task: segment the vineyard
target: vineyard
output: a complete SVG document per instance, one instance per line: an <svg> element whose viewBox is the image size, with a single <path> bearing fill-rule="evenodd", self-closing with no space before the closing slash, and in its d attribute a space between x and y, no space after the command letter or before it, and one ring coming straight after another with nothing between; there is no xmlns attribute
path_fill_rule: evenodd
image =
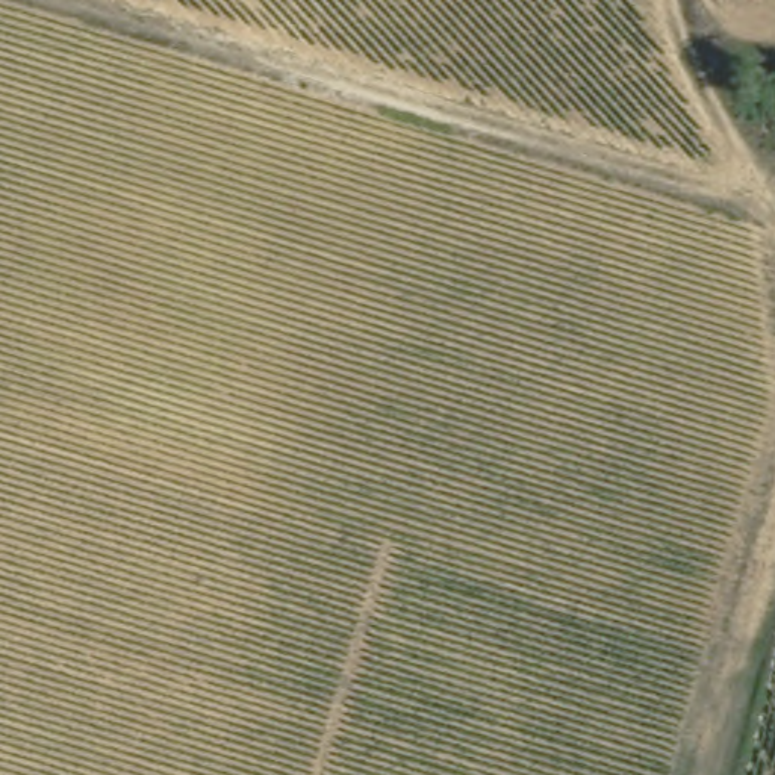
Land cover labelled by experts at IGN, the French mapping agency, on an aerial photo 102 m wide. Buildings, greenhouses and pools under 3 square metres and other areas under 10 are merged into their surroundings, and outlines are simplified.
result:
<svg viewBox="0 0 775 775"><path fill-rule="evenodd" d="M657 148L681 148L687 157L696 157L702 163L708 163L711 145L702 139L696 118L687 112L684 94L669 79L663 45L645 30L645 18L633 6L636 0L179 0L188 9L224 15L257 30L275 27L285 30L291 39L303 39L309 45L324 48L342 48L348 54L363 54L372 64L400 73L415 73L430 82L454 82L463 91L478 94L490 94L496 88L512 103L521 103L542 115L566 118L569 112L581 112L584 121L593 127L618 130L627 139L648 142Z"/></svg>
<svg viewBox="0 0 775 775"><path fill-rule="evenodd" d="M739 714L736 745L727 757L724 775L775 775L775 593L769 599L760 633L751 645L751 687L745 708Z"/></svg>
<svg viewBox="0 0 775 775"><path fill-rule="evenodd" d="M681 751L675 748L675 727L681 721L684 696L690 687L690 663L696 660L693 651L705 645L705 618L699 615L708 596L708 572L724 554L727 524L733 518L739 484L745 481L745 463L751 457L754 436L766 412L763 360L751 357L748 348L739 348L745 330L760 324L751 269L751 227L763 227L763 218L730 200L678 191L684 176L666 167L633 163L608 154L599 154L596 163L584 163L569 154L530 148L487 133L472 133L381 103L366 103L366 109L354 109L336 100L312 97L309 82L285 88L282 73L254 64L251 51L239 42L218 42L218 48L188 45L188 51L176 51L139 39L124 39L100 27L88 27L76 18L61 18L30 6L18 6L12 0L0 0L0 775L666 775L666 766L672 769L681 760Z"/></svg>

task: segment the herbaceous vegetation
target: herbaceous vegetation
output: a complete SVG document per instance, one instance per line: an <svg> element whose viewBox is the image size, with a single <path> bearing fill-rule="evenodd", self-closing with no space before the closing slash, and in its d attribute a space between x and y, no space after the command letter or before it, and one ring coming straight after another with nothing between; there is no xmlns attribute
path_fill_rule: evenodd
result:
<svg viewBox="0 0 775 775"><path fill-rule="evenodd" d="M754 436L751 457L745 463L745 481L739 484L733 518L727 524L724 554L708 572L708 596L699 615L705 618L705 645L693 651L696 660L690 663L690 687L684 696L681 721L675 727L675 748L681 751L681 760L672 769L666 766L666 775L724 775L727 757L736 745L739 714L745 708L751 687L751 645L760 633L769 599L775 593L775 118L763 124L742 121L736 127L724 106L724 97L730 91L739 91L739 54L727 51L724 45L730 39L748 39L775 45L775 0L636 0L633 6L645 18L645 30L663 45L669 79L684 94L687 112L696 118L702 139L711 145L708 163L702 163L696 157L687 157L681 148L657 148L648 142L627 139L618 130L593 127L584 121L581 112L569 112L566 118L542 115L521 103L512 103L496 88L490 94L478 94L463 91L454 82L430 82L415 73L400 73L372 64L363 54L348 54L342 48L324 48L309 45L303 39L291 39L285 30L275 27L257 30L224 15L188 9L179 0L12 0L18 6L30 6L61 18L76 18L88 27L100 27L124 39L139 39L176 51L188 51L188 45L218 48L218 42L239 42L251 51L254 64L282 73L285 88L309 82L312 97L336 100L354 109L366 109L366 103L381 103L472 133L487 133L530 148L569 154L584 163L596 163L599 154L608 154L633 163L666 167L684 176L678 191L730 200L763 218L763 227L751 227L751 269L760 324L745 330L739 348L748 348L751 357L763 360L766 412Z"/></svg>

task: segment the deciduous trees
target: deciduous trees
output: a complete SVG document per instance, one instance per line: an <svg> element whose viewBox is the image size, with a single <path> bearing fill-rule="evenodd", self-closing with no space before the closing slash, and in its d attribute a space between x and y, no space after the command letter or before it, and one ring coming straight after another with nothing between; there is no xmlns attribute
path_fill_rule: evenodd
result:
<svg viewBox="0 0 775 775"><path fill-rule="evenodd" d="M727 51L739 54L739 91L730 91L724 97L724 106L736 127L742 121L763 124L775 118L775 45L748 39L730 39L724 45Z"/></svg>

